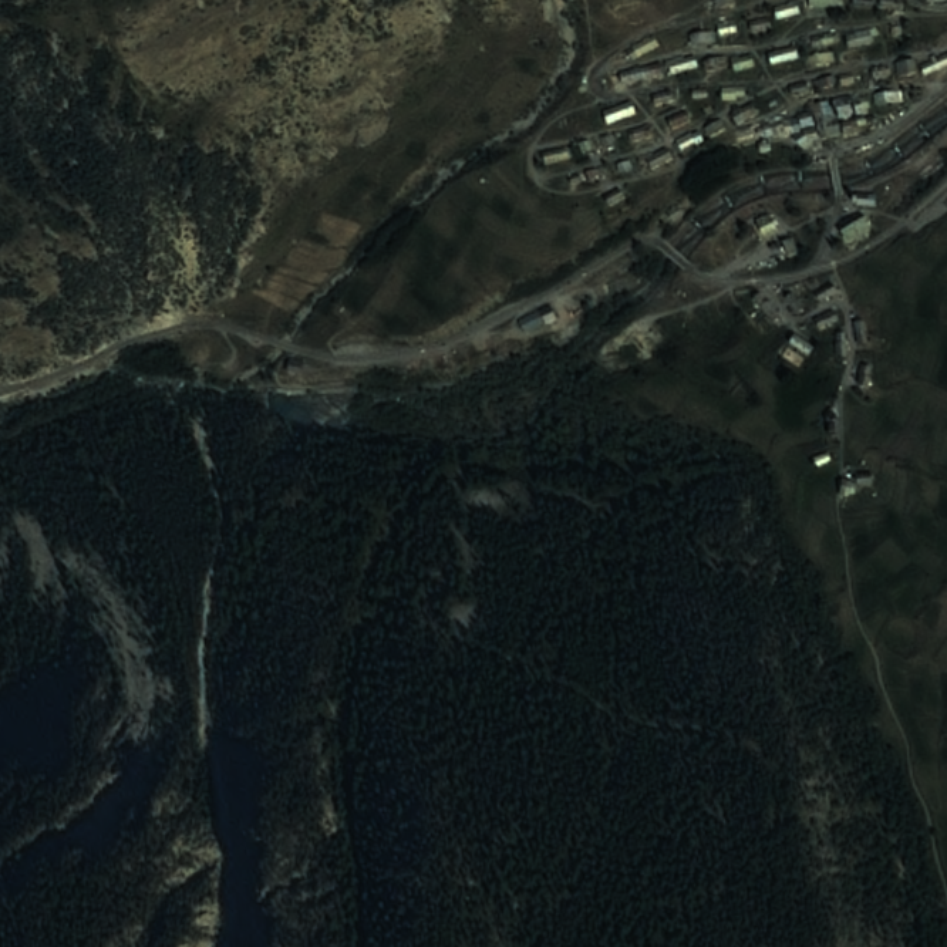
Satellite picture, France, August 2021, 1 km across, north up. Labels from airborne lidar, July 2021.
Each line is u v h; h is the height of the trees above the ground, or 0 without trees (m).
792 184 0
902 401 0
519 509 10
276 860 7
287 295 0
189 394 8
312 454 27
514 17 0
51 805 11
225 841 0
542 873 8
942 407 0
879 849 18
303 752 10
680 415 0
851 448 0
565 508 20
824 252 0
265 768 7
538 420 6
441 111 0
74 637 18
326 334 0
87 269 7
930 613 0
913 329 0
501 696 11
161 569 8
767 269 0
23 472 12
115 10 0
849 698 13
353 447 17
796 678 11
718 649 8
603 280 0
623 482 26
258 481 15
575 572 17
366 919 13
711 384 0
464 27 0
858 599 0
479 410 7
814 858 9
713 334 0
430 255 0
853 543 0
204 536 10
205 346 0
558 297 0
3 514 7
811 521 0
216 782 0
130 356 7
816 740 12
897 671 0
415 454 13
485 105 0
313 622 12
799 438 0
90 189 16
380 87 0
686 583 11
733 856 11
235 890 0
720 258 0
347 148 0
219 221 7
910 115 0
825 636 10
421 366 0
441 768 13
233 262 7
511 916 10
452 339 0
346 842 15
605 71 0
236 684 7
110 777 7
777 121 0
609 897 18
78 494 13
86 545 13
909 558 0
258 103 0
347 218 0
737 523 8
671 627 11
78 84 6
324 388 0
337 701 9
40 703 7
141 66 0
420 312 0
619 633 21
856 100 0
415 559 14
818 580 6
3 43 9
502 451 9
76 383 12
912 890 10
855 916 13
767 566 11
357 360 0
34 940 9
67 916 17
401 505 14
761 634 11
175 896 9
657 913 11
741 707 10
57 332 12
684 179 11
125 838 11
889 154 0
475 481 15
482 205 0
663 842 12
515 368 11
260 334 0
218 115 0
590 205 0
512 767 7
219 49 0
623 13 0
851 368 0
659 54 0
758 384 0
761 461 8
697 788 12
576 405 13
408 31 0
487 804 10
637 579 10
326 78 0
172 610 7
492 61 0
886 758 6
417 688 17
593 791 19
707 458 13
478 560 10
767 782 10
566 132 0
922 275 0
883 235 0
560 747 9
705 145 8
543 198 0
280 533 10
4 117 10
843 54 0
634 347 0
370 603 11
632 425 7
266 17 0
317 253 0
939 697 0
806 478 0
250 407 13
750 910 13
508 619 11
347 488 26
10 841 9
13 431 14
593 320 13
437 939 11
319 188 0
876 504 0
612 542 12
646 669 11
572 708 9
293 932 7
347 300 0
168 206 6
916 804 7
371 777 14
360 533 15
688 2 0
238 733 8
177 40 0
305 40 8
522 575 9
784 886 14
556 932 14
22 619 6
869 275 0
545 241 0
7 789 13
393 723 11
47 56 7
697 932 8
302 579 11
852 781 8
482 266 0
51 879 17
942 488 0
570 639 15
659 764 10
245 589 9
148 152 10
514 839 13
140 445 7
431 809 12
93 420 14
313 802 12
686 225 6
